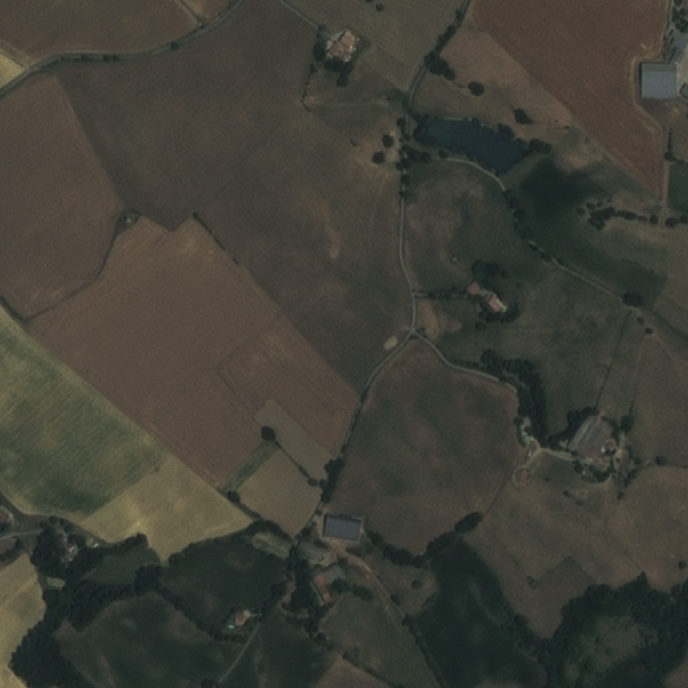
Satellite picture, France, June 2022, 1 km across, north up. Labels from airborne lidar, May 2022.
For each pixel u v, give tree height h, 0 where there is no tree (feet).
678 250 0
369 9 0
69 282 0
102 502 0
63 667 58
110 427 0
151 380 0
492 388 0
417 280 0
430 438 0
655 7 0
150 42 0
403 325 0
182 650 0
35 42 0
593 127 0
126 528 0
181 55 0
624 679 0
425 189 0
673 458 0
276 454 0
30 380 0
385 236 0
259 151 0
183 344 0
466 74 0
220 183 0
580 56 0
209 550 0
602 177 0
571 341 0
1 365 0
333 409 0
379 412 0
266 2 0
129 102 0
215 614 0
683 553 0
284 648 0
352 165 0
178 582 0
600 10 0
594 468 33
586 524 0
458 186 0
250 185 0
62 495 0
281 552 0
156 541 0
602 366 0
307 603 41
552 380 0
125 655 0
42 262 0
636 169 0
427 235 0
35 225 0
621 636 0
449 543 55
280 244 0
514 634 27
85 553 45
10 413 0
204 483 0
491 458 0
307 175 0
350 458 0
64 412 0
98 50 0
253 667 0
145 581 65
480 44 0
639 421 0
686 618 44
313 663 0
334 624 0
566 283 0
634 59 0
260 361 0
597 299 0
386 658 0
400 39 0
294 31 0
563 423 0
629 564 0
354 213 0
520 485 0
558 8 0
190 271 0
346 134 0
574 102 0
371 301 0
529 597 0
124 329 0
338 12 0
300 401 0
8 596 0
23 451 0
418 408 0
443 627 0
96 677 0
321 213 0
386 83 0
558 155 0
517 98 0
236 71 0
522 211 33
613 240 0
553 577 0
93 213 0
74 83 0
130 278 0
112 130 0
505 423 0
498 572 0
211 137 0
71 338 0
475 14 0
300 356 0
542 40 0
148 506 0
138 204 0
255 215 0
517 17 0
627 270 0
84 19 0
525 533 0
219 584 0
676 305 0
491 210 0
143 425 0
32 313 0
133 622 0
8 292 0
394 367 0
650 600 28
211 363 0
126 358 0
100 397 0
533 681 0
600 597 50
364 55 0
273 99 0
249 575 0
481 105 0
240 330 0
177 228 0
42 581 0
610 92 0
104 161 0
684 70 0
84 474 0
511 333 0
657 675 32
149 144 0
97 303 0
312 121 0
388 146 48
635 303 87
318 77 0
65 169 0
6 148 0
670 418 0
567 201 0
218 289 0
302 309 0
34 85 0
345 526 0
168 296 0
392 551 32
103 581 0
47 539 55
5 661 0
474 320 0
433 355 0
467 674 0
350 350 0
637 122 0
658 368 0
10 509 0
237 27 0
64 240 0
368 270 0
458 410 0
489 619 0
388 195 0
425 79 0
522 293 0
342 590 58
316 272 0
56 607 59
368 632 0
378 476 0
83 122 0
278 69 0
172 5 0
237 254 0
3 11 0
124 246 0
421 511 0
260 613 25
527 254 0
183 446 0
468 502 0
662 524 0
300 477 0
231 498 48
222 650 0
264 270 0
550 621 0
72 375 0
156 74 0
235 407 0
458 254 0
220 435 0
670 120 0
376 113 0
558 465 0
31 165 0
